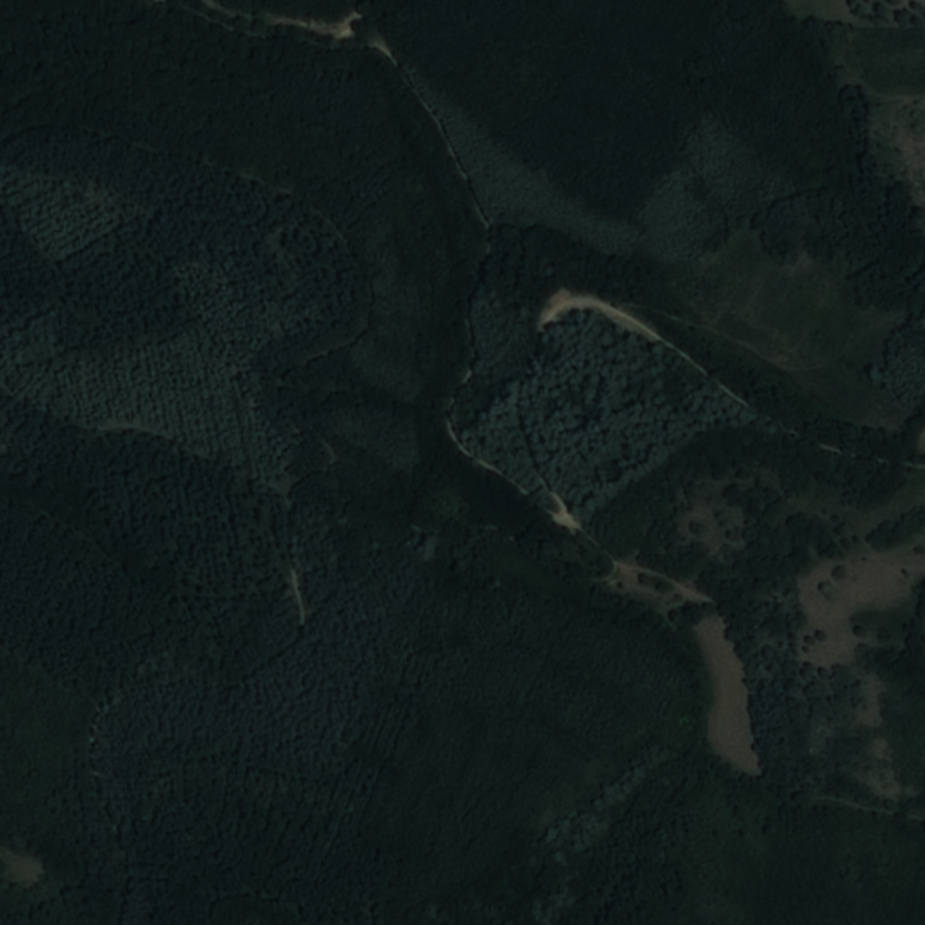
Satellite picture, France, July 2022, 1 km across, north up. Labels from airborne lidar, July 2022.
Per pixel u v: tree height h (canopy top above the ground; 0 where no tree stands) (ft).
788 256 48
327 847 83
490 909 65
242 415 63
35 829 44
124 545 95
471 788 29
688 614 65
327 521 61
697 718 38
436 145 55
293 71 67
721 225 35
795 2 0
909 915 21
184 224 99
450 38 34
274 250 93
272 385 58
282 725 61
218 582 59
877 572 0
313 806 58
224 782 51
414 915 81
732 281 0
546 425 101
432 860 34
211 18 37
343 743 44
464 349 67
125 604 63
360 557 58
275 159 42
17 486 85
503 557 25
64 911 58
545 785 30
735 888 19
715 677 0
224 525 47
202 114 56
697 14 36
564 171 38
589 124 44
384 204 69
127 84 59
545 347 56
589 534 41
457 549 69
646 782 53
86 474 77
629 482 47
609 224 52
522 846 57
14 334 58
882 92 0
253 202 59
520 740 41
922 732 19
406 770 39
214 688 65
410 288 64
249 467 49
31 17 80
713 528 0
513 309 48
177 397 51
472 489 60
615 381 83
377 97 62
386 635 55
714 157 46
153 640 62
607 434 94
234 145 51
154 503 40
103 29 62
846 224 66
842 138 57
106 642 68
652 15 35
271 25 21
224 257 89
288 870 89
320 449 46
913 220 84
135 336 62
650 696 21
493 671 56
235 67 65
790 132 59
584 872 66
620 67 25
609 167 25
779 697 60
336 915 60
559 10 40
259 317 86
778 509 29
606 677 27
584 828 83
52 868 40
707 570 24
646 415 92
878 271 81
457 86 27
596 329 89
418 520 45
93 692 52
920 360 72
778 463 43
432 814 41
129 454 80
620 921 73
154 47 71
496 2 21
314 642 53
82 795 63
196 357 46
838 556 43
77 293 69
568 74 35
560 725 44
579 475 103
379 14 20
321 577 50
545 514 52
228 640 63
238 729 57
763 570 45
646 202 47
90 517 74
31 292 60
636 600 27
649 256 50
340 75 70
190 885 57
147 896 44
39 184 51
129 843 53
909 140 0
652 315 33
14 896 27
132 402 45
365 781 68
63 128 47
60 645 64
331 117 75
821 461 52
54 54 70
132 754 54
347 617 69
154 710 60
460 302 67
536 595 41
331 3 50
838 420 23
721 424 87
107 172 72
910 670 42
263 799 52
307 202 45
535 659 56
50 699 34
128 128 70
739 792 30
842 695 28
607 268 59
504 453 72
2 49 70
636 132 35
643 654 26
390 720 65
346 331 62
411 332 59
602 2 45
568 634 38
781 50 54
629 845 88
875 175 72
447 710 29
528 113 24
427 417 47
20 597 69
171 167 59
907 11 60
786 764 42
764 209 40
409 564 51
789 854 20
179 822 67
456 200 69
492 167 46
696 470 30
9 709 28
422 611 32
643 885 74
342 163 43
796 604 27
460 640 36
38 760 38
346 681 64
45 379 53
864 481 46
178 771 58
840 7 0
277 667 67
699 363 31
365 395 63
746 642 22
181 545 52
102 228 56
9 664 34
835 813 21
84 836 31
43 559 60
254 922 33
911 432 74
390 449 61
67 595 72
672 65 40
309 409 42
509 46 28
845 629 0
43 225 65
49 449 71
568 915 68
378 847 58
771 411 66
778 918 18
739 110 49
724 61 57
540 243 76
